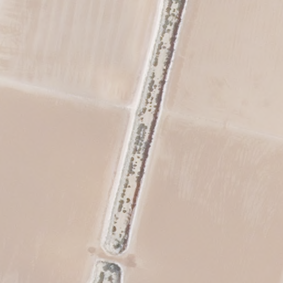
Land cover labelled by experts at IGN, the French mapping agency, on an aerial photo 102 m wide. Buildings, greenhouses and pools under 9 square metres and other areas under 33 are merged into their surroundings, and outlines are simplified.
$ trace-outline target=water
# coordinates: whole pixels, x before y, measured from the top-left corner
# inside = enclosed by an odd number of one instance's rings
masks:
[[[107,263],[119,266],[120,283],[283,283],[283,0],[186,0],[134,209],[126,249],[122,253],[104,252],[101,248],[101,239],[129,124],[128,105],[134,101],[143,73],[160,0],[0,0],[0,283],[87,283],[93,266],[101,263],[104,266]]]

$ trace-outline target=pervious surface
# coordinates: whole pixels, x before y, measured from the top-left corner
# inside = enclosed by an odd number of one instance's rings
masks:
[[[140,124],[149,126],[153,120],[159,82],[167,57],[167,52],[161,49],[158,65],[154,66],[155,53],[159,43],[164,42],[169,48],[178,14],[176,0],[160,0],[143,73],[134,101],[128,105],[129,124],[101,239],[101,248],[104,252],[122,253],[126,249],[134,209],[132,203],[136,179],[144,154],[143,150],[140,150],[138,154],[133,154],[137,129]]]
[[[107,263],[104,266],[101,263],[93,266],[87,283],[120,283],[119,266]]]

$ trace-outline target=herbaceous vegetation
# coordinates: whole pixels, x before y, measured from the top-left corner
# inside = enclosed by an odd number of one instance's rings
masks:
[[[154,66],[158,65],[161,49],[167,52],[167,57],[159,82],[153,120],[149,126],[140,124],[137,129],[133,154],[138,154],[140,150],[143,150],[144,154],[136,179],[132,203],[134,209],[186,0],[176,0],[178,14],[169,48],[164,42],[159,43],[155,53]]]

